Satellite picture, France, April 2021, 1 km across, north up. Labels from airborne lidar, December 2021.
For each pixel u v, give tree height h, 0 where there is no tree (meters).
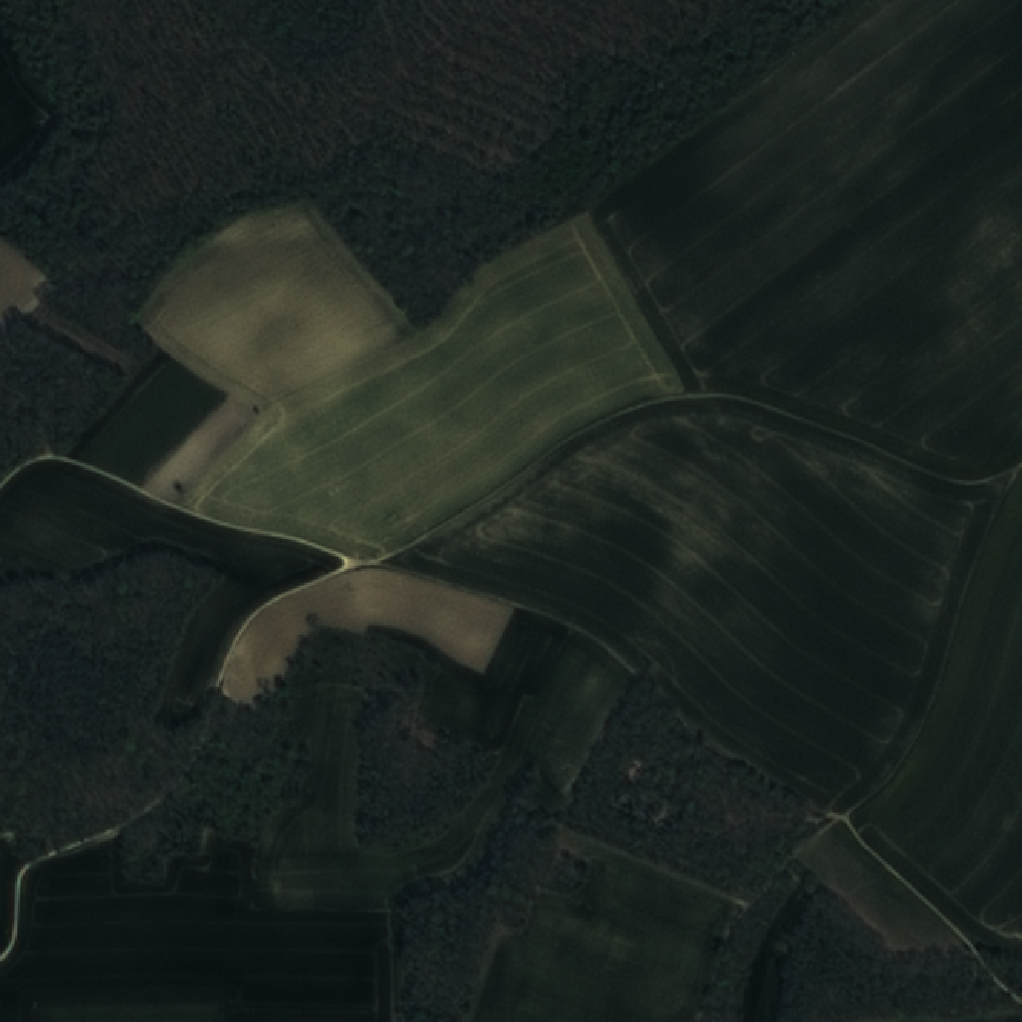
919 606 0
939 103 0
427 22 12
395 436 0
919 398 0
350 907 0
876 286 0
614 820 16
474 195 10
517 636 0
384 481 0
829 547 0
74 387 22
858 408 0
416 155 9
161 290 0
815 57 0
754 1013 0
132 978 0
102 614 19
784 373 0
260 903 0
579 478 0
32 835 19
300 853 0
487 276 0
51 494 0
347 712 0
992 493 0
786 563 0
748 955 18
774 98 0
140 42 16
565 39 16
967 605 0
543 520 0
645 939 0
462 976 17
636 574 0
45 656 18
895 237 0
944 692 0
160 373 0
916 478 0
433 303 19
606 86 12
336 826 0
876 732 0
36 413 18
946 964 23
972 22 0
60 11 13
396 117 15
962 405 0
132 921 0
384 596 0
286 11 17
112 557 0
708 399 0
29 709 20
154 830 21
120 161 20
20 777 24
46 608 21
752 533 0
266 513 0
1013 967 15
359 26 14
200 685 0
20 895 0
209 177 17
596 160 9
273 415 0
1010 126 0
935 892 0
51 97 11
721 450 0
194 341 0
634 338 0
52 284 13
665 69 10
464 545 0
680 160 0
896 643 0
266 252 0
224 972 0
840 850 0
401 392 0
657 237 0
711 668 0
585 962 0
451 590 0
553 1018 0
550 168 10
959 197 0
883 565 0
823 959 15
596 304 0
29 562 0
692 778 19
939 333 0
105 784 23
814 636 0
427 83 15
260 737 18
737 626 0
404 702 7
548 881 15
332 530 0
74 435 19
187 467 0
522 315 0
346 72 15
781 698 0
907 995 14
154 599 18
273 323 0
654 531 0
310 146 15
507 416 0
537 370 0
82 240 21
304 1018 0
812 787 0
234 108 10
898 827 0
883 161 0
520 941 0
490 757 7
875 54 0
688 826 20
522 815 23
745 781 14
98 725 18
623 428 0
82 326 17
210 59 13
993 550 0
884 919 0
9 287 0
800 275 0
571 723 0
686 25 14
